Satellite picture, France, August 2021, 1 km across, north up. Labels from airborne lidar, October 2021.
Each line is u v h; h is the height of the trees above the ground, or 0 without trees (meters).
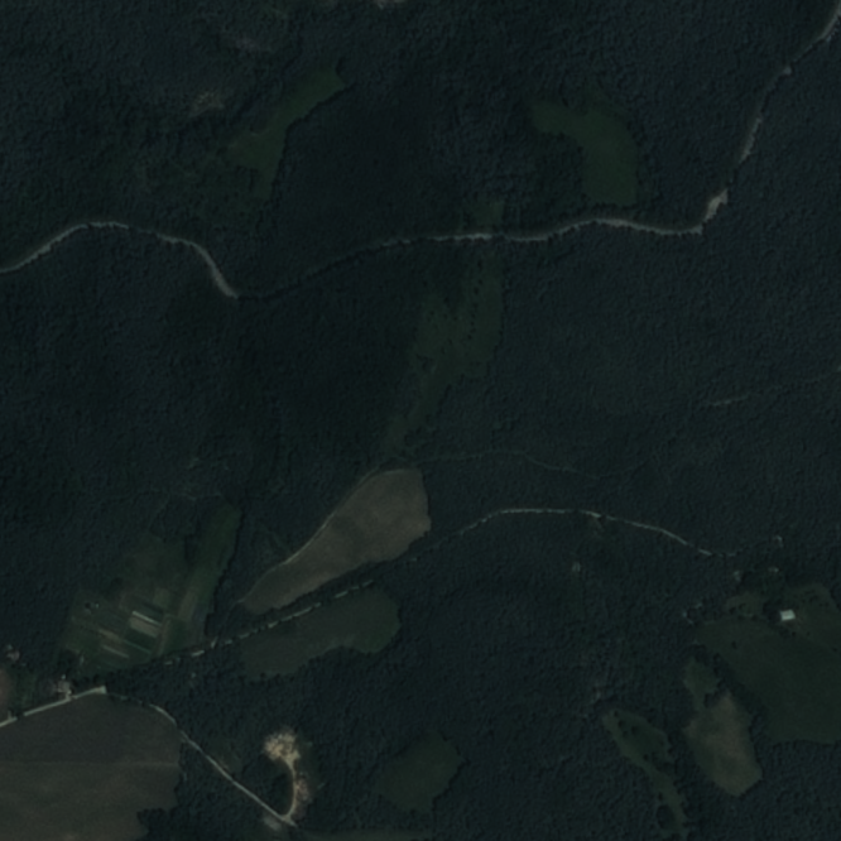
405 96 21
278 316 21
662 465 6
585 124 0
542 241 7
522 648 11
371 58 17
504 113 15
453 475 7
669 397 8
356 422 14
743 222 13
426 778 0
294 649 0
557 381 6
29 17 9
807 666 0
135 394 21
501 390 8
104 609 0
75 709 0
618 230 10
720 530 7
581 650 9
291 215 20
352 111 17
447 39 12
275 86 13
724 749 0
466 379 7
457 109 17
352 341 17
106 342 19
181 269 16
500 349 8
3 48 16
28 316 12
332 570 0
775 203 14
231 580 11
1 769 0
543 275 14
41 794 0
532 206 16
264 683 10
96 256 15
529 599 12
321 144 17
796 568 17
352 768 12
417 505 0
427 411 0
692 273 11
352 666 10
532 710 15
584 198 12
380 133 22
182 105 13
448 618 14
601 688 5
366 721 8
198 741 8
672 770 14
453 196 15
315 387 15
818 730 0
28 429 13
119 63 12
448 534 7
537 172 8
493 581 14
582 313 10
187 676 6
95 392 19
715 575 10
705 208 13
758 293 11
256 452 11
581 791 13
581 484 9
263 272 21
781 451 6
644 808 14
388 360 13
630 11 11
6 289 14
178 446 15
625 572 10
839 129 7
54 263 6
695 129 20
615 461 11
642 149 13
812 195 12
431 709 17
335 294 19
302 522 10
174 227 14
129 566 0
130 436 15
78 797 0
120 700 8
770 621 6
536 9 16
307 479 6
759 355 9
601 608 10
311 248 22
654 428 13
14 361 16
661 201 13
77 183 19
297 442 6
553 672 14
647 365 7
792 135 6
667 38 12
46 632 13
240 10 11
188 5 12
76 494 12
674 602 9
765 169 10
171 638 0
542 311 11
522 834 16
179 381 21
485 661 12
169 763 0
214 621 11
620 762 9
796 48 12
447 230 15
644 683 9
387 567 10
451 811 8
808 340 8
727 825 8
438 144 19
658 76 13
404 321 13
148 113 17
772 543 10
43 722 0
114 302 17
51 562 12
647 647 6
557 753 13
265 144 0
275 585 0
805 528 9
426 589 12
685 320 13
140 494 9
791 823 10
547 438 6
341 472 9
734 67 18
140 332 17
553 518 9
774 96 10
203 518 11
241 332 17
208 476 6
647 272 7
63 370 21
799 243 12
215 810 13
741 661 0
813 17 18
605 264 12
